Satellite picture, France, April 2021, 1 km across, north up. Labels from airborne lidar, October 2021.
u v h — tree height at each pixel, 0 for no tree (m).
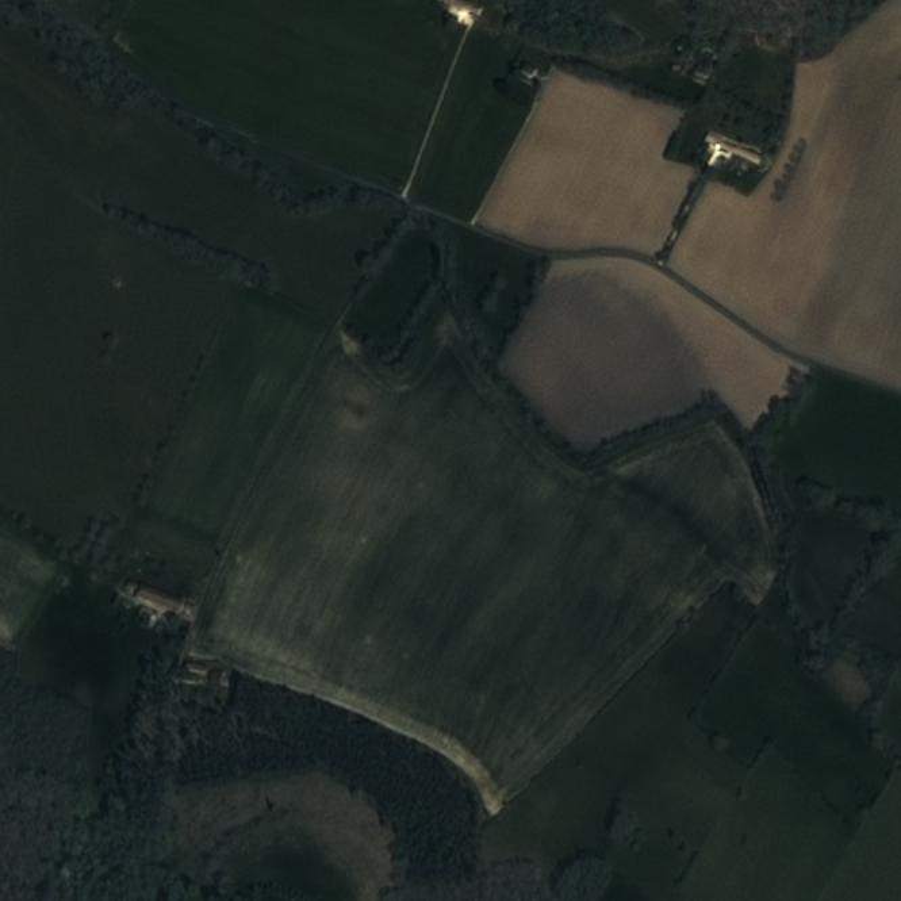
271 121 0
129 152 0
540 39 24
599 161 0
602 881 20
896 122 0
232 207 0
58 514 0
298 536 0
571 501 0
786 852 0
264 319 0
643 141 0
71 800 25
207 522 0
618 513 0
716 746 17
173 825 14
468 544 0
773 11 21
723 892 0
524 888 20
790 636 0
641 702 0
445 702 0
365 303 0
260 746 14
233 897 13
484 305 17
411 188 0
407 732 0
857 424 0
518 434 0
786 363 0
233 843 8
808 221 0
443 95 0
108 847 24
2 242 0
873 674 6
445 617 0
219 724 14
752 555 0
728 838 0
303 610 0
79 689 0
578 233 0
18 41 0
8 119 0
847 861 0
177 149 0
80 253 0
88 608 0
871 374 0
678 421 8
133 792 25
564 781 0
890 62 0
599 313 0
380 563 0
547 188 0
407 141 0
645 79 0
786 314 0
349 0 0
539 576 0
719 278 0
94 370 0
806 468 0
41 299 0
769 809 0
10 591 0
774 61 0
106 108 0
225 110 0
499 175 0
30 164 0
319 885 0
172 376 0
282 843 0
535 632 0
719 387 0
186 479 0
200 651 0
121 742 0
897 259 0
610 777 0
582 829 0
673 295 0
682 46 8
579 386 0
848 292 0
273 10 0
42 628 0
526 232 0
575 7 22
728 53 18
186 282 0
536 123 0
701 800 0
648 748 0
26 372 0
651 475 0
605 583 0
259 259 0
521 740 0
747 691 0
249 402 0
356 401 0
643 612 0
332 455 0
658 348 0
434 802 15
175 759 15
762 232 0
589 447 0
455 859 18
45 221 0
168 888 25
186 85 0
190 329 0
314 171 0
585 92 0
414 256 0
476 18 11
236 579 0
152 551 0
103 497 0
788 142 0
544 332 0
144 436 0
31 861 23
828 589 0
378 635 0
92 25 0
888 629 0
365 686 0
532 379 0
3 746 17
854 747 0
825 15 17
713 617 0
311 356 0
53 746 17
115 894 29
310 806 0
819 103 0
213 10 0
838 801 0
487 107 0
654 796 0
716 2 18
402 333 14
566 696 0
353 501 0
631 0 0
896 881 0
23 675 0
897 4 0
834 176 0
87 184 0
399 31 0
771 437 16
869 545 0
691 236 0
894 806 0
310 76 0
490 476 0
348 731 16
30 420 0
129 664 0
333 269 0
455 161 0
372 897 0
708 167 7
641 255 0
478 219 0
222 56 0
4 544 0
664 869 0
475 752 0
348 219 0
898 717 0
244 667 0
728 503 0
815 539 0
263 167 8
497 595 0
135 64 0
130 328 0
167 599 0
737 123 8
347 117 0
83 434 0
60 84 0
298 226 0
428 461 0
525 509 0
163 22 0
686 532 0
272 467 0
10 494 0
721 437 0
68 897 24
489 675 0
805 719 0
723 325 0
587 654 0
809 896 0
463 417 0
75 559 12
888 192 0
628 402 0
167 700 20
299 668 0
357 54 0
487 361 11
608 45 23
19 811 18
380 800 15
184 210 0
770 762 0
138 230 16
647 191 0
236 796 0
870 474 0
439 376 0
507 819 0
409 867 16
